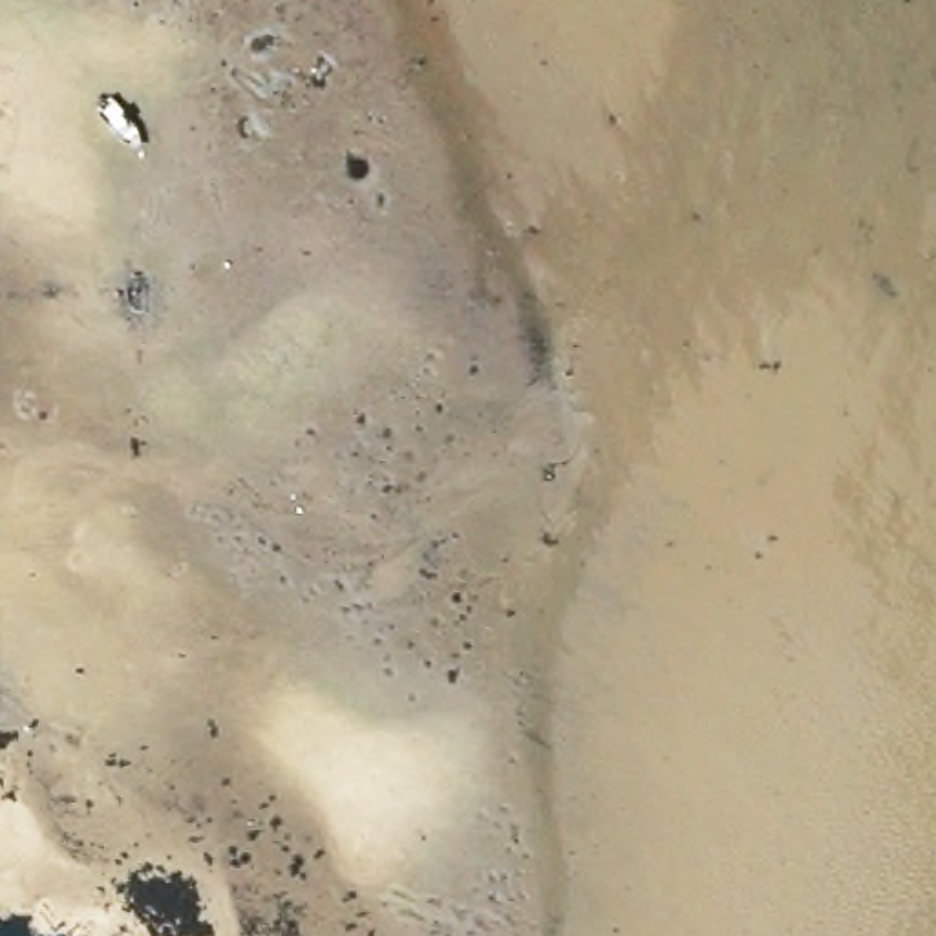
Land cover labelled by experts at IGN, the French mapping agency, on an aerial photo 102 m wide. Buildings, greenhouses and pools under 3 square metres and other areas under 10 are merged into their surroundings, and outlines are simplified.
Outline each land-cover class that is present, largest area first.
<instances>
[{"label":"bare soil","instance_id":"1","mask_svg":"<svg viewBox=\"0 0 936 936\"><path fill-rule=\"evenodd\" d=\"M172 874H183L197 885L201 921L212 925V936H936V0H0V936H150V929L128 910L121 885L128 878L157 881Z\"/></svg>","mask_w":936,"mask_h":936},{"label":"herbaceous vegetation","instance_id":"2","mask_svg":"<svg viewBox=\"0 0 936 936\"><path fill-rule=\"evenodd\" d=\"M128 910L150 929V936H212V925L201 921L197 885L183 874H172L157 881L128 878L121 885Z\"/></svg>","mask_w":936,"mask_h":936}]
</instances>
